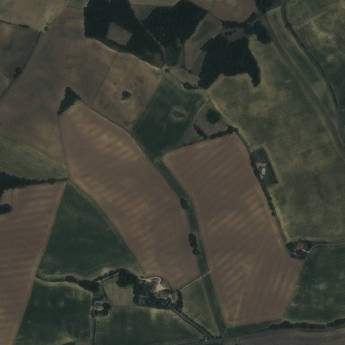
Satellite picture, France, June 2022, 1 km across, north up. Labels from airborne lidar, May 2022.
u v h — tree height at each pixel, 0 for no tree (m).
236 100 0
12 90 0
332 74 0
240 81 0
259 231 0
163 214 0
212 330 0
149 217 0
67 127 0
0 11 0
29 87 0
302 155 0
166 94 0
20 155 0
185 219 0
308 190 0
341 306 0
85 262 0
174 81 0
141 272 0
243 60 14
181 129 0
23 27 9
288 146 0
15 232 0
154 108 0
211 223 0
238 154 0
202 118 0
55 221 0
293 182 0
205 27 0
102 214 0
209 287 0
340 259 0
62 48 0
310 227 0
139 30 13
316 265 0
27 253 0
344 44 0
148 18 12
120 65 0
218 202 0
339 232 0
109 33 0
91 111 0
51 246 0
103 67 0
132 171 0
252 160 9
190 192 0
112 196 0
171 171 0
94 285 15
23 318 0
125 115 0
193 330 0
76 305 0
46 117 0
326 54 0
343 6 0
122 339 0
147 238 0
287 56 0
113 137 0
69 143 0
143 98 0
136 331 0
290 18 0
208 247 0
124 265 0
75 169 0
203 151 0
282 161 0
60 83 0
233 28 13
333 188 0
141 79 0
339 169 0
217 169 0
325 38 0
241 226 0
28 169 0
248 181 0
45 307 0
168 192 0
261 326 0
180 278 0
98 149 0
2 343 0
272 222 0
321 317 0
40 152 0
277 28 0
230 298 0
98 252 0
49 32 0
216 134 9
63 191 0
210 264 0
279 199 0
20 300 0
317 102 0
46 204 0
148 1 0
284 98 0
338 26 0
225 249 0
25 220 0
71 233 0
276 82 0
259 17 0
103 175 0
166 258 0
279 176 0
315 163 0
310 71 0
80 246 0
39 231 0
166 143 0
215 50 20
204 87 11
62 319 0
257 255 0
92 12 9
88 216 0
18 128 0
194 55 0
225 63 18
